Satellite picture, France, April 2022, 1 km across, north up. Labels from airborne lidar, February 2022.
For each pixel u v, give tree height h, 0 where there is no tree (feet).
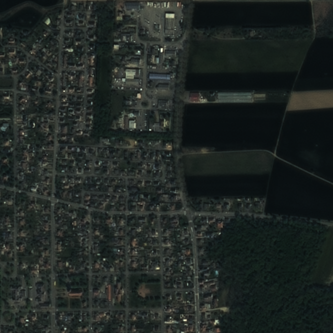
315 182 0
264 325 72
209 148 0
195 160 0
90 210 0
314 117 0
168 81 0
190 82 0
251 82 0
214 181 0
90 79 0
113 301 0
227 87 0
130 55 27
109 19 59
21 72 0
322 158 0
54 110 28
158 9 0
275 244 67
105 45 49
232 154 0
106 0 0
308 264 59
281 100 0
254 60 0
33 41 0
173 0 0
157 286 0
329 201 0
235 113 0
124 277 48
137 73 0
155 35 0
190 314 0
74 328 25
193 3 60
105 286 0
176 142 55
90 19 0
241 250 52
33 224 0
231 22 0
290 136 0
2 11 0
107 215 55
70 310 0
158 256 0
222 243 64
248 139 0
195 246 0
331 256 0
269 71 0
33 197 0
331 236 0
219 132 0
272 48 0
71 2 0
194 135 0
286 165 0
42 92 55
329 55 0
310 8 0
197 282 0
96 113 23
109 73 29
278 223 65
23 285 0
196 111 0
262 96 0
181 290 0
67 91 0
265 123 0
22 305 0
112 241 0
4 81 0
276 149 0
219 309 0
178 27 0
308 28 24
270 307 66
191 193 0
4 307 0
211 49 0
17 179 31
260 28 26
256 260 61
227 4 0
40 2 0
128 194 0
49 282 33
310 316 78
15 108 0
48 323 0
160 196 0
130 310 0
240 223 67
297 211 0
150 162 0
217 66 0
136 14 0
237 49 0
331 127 0
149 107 0
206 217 0
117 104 0
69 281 0
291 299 34
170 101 0
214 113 0
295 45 0
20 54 0
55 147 0
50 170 0
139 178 0
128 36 0
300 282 58
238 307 71
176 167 49
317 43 0
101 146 0
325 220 0
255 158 0
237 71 0
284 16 0
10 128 32
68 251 0
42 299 0
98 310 0
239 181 0
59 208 0
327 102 0
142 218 0
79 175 0
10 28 34
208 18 0
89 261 0
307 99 0
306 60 0
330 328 83
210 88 0
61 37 0
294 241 60
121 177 0
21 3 0
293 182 0
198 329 0
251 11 0
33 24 0
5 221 0
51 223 0
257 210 0
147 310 0
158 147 0
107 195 0
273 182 0
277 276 61
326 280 0
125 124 0
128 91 0
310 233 70
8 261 0
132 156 0
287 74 0
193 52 0
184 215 0
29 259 0
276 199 0
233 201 0
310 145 0
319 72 0
